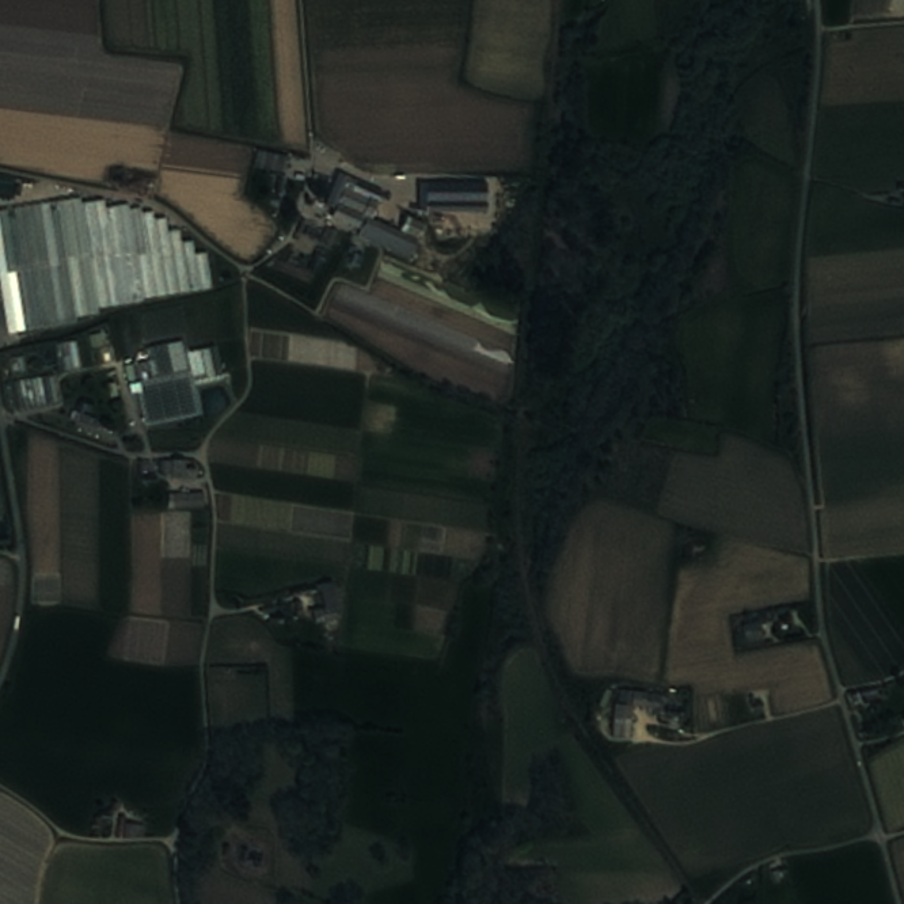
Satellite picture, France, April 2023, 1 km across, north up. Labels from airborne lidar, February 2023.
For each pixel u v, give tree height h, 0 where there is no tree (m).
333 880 0
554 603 0
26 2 0
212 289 0
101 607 0
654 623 0
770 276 0
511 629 7
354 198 0
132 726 0
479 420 0
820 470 0
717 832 0
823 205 0
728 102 13
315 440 0
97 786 0
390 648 0
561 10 0
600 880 0
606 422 18
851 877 0
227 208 0
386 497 0
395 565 0
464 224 0
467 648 0
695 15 7
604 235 16
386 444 0
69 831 0
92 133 0
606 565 0
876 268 0
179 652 0
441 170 0
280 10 0
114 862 0
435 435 0
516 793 0
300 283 0
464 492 0
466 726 0
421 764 0
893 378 0
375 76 0
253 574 0
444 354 0
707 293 6
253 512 0
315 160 0
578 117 17
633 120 0
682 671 0
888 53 0
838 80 0
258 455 0
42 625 0
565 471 20
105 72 0
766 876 0
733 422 0
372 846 0
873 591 0
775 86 0
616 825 0
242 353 0
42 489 0
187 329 0
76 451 0
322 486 0
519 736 0
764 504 0
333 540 0
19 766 0
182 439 0
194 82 0
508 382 0
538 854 0
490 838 24
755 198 0
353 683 0
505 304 0
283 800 18
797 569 0
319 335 0
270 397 0
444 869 0
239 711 0
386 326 0
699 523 0
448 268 0
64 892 0
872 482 0
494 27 0
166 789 0
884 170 0
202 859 22
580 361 9
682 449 0
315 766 24
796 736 0
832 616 0
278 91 0
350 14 0
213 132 0
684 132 12
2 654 0
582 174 16
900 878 0
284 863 0
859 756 0
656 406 13
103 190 0
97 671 0
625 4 0
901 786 0
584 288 25
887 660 0
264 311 0
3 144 0
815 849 0
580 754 0
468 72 0
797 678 0
